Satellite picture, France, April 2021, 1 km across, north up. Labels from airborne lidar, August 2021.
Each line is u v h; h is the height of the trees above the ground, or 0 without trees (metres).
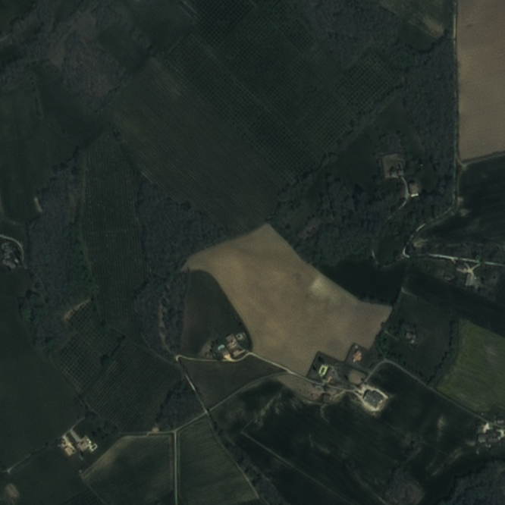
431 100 15
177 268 13
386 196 10
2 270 0
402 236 8
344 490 0
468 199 0
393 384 0
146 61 0
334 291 0
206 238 17
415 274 0
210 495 0
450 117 24
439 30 0
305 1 19
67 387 0
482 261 13
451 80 21
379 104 14
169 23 0
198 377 0
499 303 0
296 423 0
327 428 0
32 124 0
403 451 0
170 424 20
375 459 0
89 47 10
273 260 0
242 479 0
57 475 0
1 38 22
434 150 23
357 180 0
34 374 0
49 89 0
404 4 0
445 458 0
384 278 0
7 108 0
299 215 0
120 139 14
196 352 0
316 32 19
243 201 0
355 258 15
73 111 0
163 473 0
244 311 0
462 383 0
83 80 14
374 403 0
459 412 0
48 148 0
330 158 11
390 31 23
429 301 0
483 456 0
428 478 0
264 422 0
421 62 20
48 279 21
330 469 0
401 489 16
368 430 0
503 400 0
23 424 0
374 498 0
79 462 0
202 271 0
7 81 12
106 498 0
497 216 0
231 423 0
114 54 0
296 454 0
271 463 0
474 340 0
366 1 20
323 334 0
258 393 0
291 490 0
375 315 0
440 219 16
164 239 20
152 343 16
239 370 0
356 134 10
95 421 15
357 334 0
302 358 0
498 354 0
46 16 22
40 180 0
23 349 0
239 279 0
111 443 0
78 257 25
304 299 0
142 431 0
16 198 0
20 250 6
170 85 0
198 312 0
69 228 21
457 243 0
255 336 0
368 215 10
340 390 0
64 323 22
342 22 19
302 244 7
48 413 0
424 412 0
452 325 10
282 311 0
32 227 18
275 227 7
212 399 0
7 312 0
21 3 0
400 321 0
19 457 0
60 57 0
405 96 15
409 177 10
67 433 0
